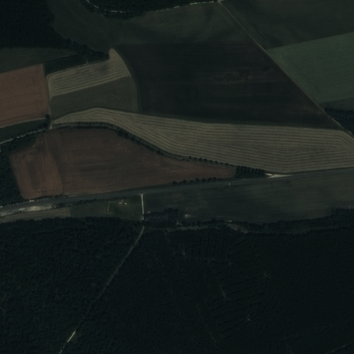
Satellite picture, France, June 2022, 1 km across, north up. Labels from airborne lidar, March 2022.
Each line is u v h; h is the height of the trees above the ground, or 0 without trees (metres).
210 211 0
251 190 0
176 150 0
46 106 0
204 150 0
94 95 0
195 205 0
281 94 0
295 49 0
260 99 0
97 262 20
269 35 0
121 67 0
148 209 0
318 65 0
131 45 0
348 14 0
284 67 0
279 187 0
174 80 0
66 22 0
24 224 15
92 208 0
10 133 0
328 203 0
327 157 0
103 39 0
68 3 0
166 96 0
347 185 0
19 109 0
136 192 0
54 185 0
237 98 0
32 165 0
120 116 0
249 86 0
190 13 0
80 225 17
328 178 0
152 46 0
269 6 0
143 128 0
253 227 18
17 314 17
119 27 0
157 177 0
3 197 15
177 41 0
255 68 0
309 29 0
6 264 20
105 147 0
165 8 11
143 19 0
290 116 0
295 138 0
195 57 0
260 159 0
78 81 0
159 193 0
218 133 0
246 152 0
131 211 0
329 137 0
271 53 0
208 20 0
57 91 0
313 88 0
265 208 0
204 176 0
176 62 0
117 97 0
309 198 0
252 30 0
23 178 0
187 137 0
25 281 8
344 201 0
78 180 0
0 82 0
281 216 0
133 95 0
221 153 0
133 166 0
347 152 0
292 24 0
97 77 0
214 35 0
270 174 0
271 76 0
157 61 0
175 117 0
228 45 0
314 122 0
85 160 0
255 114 0
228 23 0
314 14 0
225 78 0
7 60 0
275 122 0
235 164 0
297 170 0
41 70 0
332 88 0
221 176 0
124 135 12
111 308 0
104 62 0
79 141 0
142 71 0
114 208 0
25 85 0
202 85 0
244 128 0
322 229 0
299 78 0
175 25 0
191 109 0
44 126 14
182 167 0
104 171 0
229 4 0
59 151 0
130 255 0
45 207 0
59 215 0
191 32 0
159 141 0
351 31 0
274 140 0
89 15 0
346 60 0
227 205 0
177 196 0
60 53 0
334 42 0
